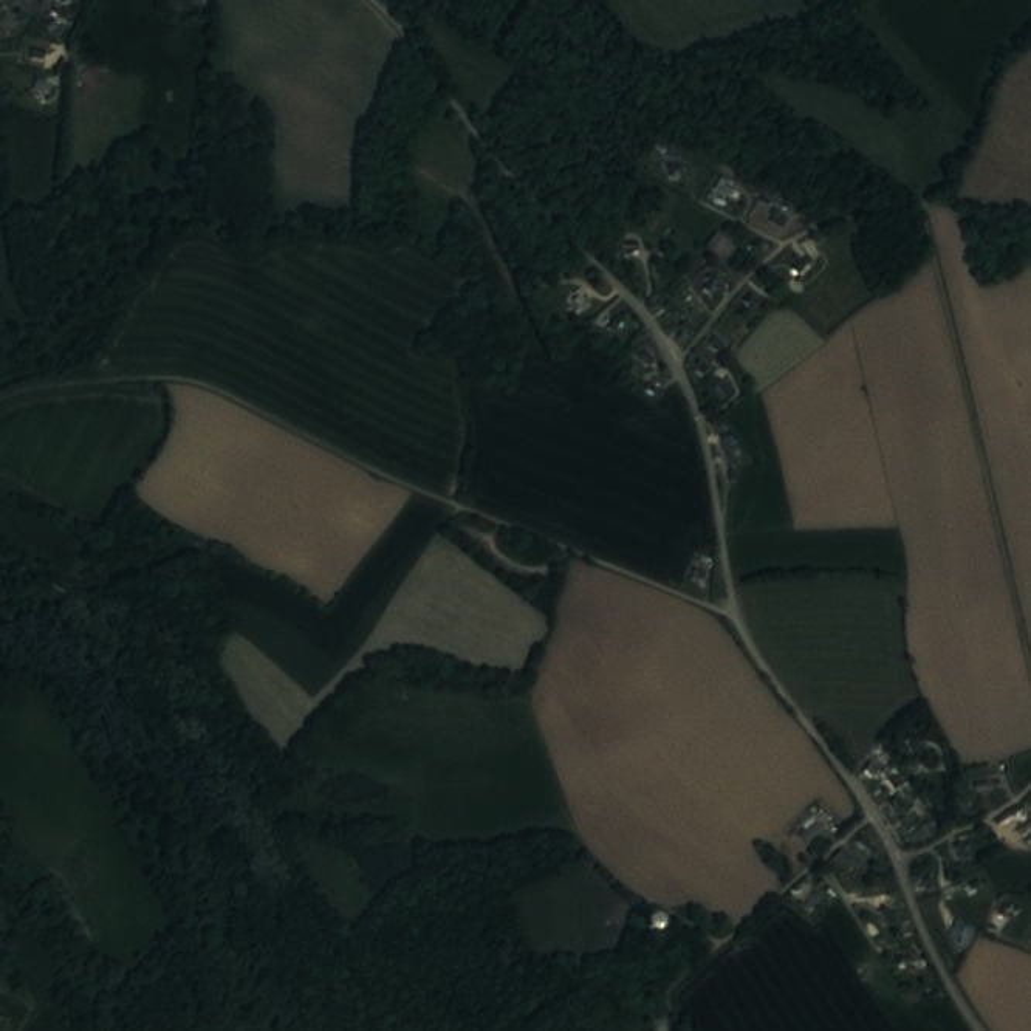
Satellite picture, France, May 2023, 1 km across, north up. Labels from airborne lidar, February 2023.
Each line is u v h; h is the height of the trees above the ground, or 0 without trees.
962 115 0
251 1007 17
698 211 0
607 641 0
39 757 0
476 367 20
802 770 0
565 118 26
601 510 0
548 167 20
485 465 0
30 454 0
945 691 0
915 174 0
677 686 0
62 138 20
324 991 17
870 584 0
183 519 0
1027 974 0
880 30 0
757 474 0
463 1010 12
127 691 23
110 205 23
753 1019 0
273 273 0
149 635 15
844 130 0
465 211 21
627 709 0
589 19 29
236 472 0
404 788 0
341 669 0
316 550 0
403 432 0
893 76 25
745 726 0
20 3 0
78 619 24
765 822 0
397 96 21
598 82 21
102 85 0
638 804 0
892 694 0
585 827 0
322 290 0
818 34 21
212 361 0
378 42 0
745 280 0
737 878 0
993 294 0
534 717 0
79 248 23
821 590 0
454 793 0
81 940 7
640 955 18
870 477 0
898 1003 0
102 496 0
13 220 18
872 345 0
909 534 0
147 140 14
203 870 6
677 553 0
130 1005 8
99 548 18
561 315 0
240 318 0
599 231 23
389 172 21
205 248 0
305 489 0
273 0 0
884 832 0
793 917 0
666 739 0
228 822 29
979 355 0
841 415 0
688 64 21
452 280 0
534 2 22
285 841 22
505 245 18
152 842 7
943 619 0
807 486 0
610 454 0
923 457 0
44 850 0
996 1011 0
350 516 0
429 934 14
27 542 0
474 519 9
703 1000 0
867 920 10
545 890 0
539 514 0
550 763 0
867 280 11
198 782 28
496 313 22
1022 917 0
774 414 0
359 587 0
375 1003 17
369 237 14
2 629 33
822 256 0
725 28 0
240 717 9
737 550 0
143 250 7
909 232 18
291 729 0
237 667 0
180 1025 8
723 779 0
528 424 0
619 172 8
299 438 0
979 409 0
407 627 0
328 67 0
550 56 16
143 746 24
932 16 0
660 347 0
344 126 0
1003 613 0
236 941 19
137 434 0
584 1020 21
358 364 0
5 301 0
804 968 0
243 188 11
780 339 0
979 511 0
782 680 0
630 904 11
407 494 0
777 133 18
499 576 10
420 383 0
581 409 0
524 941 9
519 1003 14
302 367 0
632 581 0
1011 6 0
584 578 0
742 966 0
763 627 0
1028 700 0
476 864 17
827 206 19
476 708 0
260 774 24
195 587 21
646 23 0
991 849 8
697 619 0
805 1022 0
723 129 17
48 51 0
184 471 0
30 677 11
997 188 0
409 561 0
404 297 0
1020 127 0
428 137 0
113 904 0
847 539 0
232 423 0
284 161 0
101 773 11
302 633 0
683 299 0
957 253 0
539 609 10
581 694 0
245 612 0
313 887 14
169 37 0
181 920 26
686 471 0
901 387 0
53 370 6
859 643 0
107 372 0
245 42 0
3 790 0
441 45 0
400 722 0
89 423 0
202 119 19
